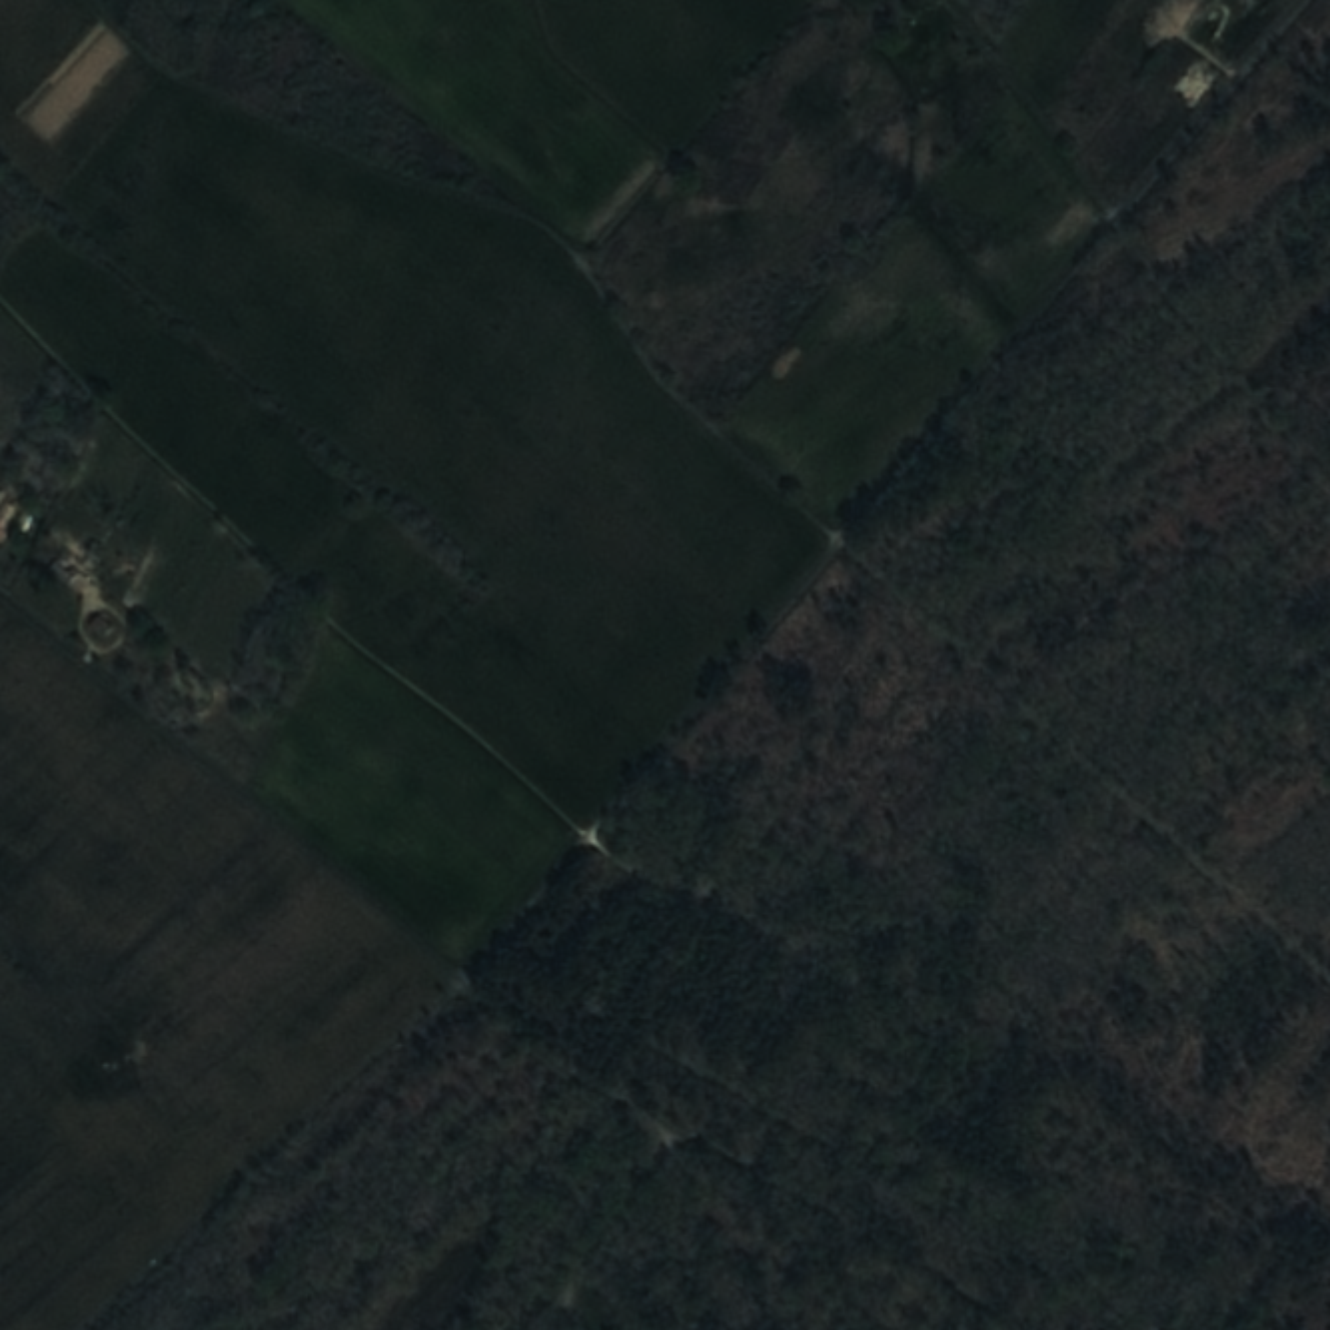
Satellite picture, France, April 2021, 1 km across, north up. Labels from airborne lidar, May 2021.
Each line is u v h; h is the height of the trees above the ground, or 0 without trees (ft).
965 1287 36
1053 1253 68
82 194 0
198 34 50
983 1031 83
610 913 57
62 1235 0
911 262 0
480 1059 37
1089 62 0
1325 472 41
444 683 0
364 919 0
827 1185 39
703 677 0
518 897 0
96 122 0
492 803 0
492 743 0
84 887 0
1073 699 46
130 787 0
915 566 40
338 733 0
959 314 0
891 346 0
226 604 0
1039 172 0
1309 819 34
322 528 0
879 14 0
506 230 0
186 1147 0
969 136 0
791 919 75
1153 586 38
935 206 0
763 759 36
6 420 0
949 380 0
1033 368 39
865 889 63
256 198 0
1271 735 38
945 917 65
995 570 46
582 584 0
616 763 0
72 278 0
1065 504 56
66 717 0
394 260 0
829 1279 65
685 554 0
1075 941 53
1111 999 22
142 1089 0
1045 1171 31
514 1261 74
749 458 0
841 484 0
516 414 0
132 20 31
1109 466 62
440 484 0
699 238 0
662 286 0
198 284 0
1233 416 41
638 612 0
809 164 0
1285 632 55
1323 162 0
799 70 0
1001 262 0
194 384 0
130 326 0
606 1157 66
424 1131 49
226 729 0
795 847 56
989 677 34
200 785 0
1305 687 50
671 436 0
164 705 35
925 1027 50
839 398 0
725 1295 57
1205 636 49
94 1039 0
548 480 0
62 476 56
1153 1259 48
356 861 0
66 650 0
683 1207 59
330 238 0
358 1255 56
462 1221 72
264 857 0
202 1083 0
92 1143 0
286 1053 0
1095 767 52
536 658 0
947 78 0
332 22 0
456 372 0
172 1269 32
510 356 0
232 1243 59
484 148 0
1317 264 55
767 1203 75
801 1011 78
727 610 0
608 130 0
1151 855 60
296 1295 65
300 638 65
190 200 0
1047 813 71
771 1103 45
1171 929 34
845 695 49
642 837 61
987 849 68
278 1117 0
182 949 0
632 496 0
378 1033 0
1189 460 34
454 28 0
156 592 0
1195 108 0
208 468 0
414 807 0
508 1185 60
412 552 0
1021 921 49
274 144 0
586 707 0
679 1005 62
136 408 0
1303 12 0
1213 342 52
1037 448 27
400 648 0
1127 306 21
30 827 0
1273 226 55
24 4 0
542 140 0
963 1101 51
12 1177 0
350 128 29
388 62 0
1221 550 41
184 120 0
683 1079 46
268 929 0
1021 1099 70
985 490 56
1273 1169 0
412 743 0
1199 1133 45
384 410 0
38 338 0
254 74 20
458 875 0
